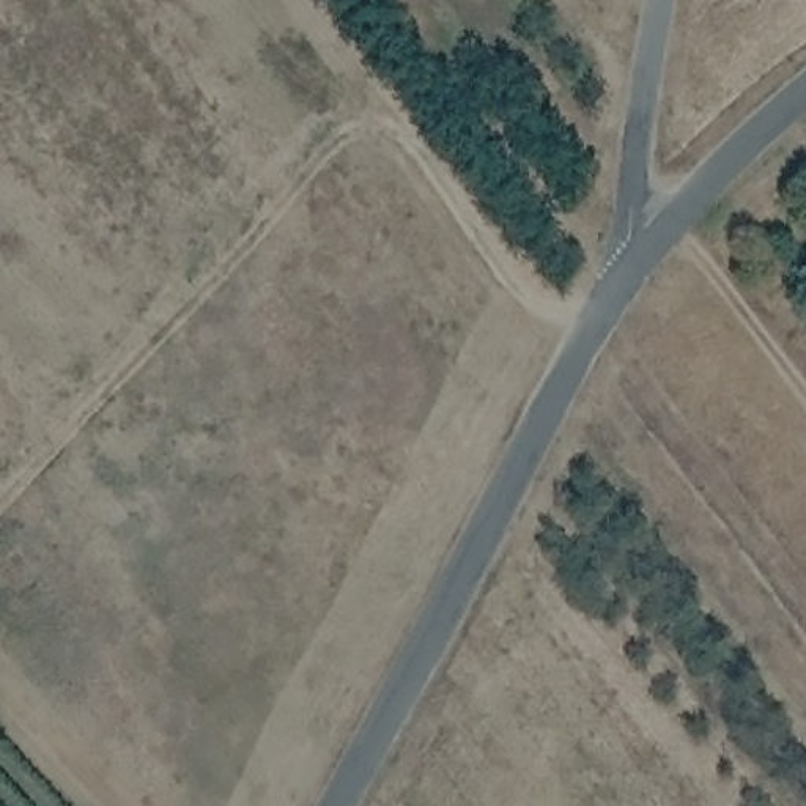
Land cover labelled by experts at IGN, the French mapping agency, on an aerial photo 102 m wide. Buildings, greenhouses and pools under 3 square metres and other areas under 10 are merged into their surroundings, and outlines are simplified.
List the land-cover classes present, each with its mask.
<instances>
[{"label":"agricultural land","instance_id":"1","mask_svg":"<svg viewBox=\"0 0 806 806\"><path fill-rule=\"evenodd\" d=\"M403 107L397 91L387 82H381L375 69L362 60L359 47L340 35L324 0H0V724L76 806H321L343 759L349 756L353 740L362 734L387 683V674L397 664L403 642L412 636L428 595L438 592L444 570L450 567V557L457 554L472 523V513L485 497V488L497 475L510 447L516 444L535 397L554 372L560 353L567 349L573 331L567 324H551L526 312V305L513 299L510 290L494 277L491 264L466 239L450 208L425 179L416 157L400 145L394 132L384 129V120L397 116ZM806 76V0H674L649 135L652 192L674 198L752 116H759L775 98H781L797 79ZM576 397L592 412V419L586 422L579 453L589 457L595 472L608 479L614 488L639 494L642 513L649 519H661L664 548L693 570L702 611L715 614L727 627L734 642L749 652L752 664L765 680V690L784 705L793 737L806 746V409L778 381L768 359L756 349L752 337L730 318L727 305L708 290L702 271L680 258L674 249L642 280L633 302L620 312L617 324L608 331L605 343L589 359ZM636 636V623L633 617H620L608 627L605 620L576 611L564 598L554 579V564L535 538H519L504 560H497L494 554L485 573L479 576L463 617L457 620L441 658L428 671L416 702L409 705L384 759L378 762L375 778L368 781L356 806H740V790L718 775V756L702 740H693L683 721H674L664 712V705L652 699L649 686L627 658V639Z\"/></svg>","mask_w":806,"mask_h":806},{"label":"deciduous trees","instance_id":"2","mask_svg":"<svg viewBox=\"0 0 806 806\"><path fill-rule=\"evenodd\" d=\"M340 35L359 47L362 60L375 69L381 82H387L397 91L403 107L409 110V120L416 123L428 148L444 164H450V170L463 179L466 192L475 198L479 211L501 230L504 242L510 249H523L526 258L535 261V271L557 293H564L570 283L582 268V249L576 236L557 227L554 214L573 211L589 195L598 173L595 148L579 142L576 126L564 123L557 107L551 104V94L538 69L526 60V54L507 47L504 41L485 44L479 31H463L453 50H425L419 25L409 19L406 3L400 0H324ZM513 31L548 54L551 66L564 72L573 85V98L579 107H595L605 91V82L595 72L592 50L557 31L551 0H523L513 13ZM778 205L784 208L781 224H787L790 233L737 230L727 239L730 258L743 261L734 277L740 287L778 277L787 290V299L793 302V312L806 318V167L790 179L784 192H778ZM560 491L567 494V510L576 519V535H567L551 516L542 513L535 538L554 564V579L564 598L576 611L605 620L608 627L620 617H633L636 623H652L658 636L671 642L677 655L686 661L690 677L724 674L721 721L727 724L730 743L762 771H768L778 781H787L806 797V746L793 737L784 705L765 690V680L752 664L749 652L734 642L727 627L715 614L702 611L693 570L664 548L661 519H649L642 513L639 494L614 488L608 479L595 472L589 457L579 453L570 460L567 479L560 482ZM652 699L664 705L677 696L674 674H658L649 686ZM0 806H76L0 724Z\"/></svg>","mask_w":806,"mask_h":806},{"label":"herbaceous vegetation","instance_id":"3","mask_svg":"<svg viewBox=\"0 0 806 806\"><path fill-rule=\"evenodd\" d=\"M406 3L409 19L419 25L425 50H453L463 31H479L485 44L504 41L507 47L526 54V60L538 69L551 94V104L557 107L564 123L576 126L579 142L595 148L598 173L589 195L573 211L554 214L557 227L576 236L582 249V268L570 283L589 296L595 280L601 277V258L614 233L623 126L649 0H551L557 31L592 50L595 72L605 82V91L595 107H579L573 98V85L564 72L551 66L548 54L513 31V13L523 0H400ZM806 167V116L784 129L775 142H768L724 186L715 205L690 230L708 246L712 258L721 261L734 277L743 261L730 258L727 239L737 230L790 233L787 224H781L784 208L778 205V192H784L790 179ZM752 312L784 343L787 356L806 372V318L793 312V302L787 299V290L778 277L740 287ZM592 419V412L576 397L570 400L548 450L542 453L532 482L526 485V494L516 504V513L494 554L497 560H504L519 538H535L542 513L551 516L567 535H576V519L567 510V494L560 491V482L567 479L570 460L579 453L586 422ZM627 658L649 686L658 674H674L677 696L664 705V712L674 721H683L693 740H702L718 756V775L740 790V806H806V797L787 781H778L768 771H762L730 743L727 724L721 721L724 674L690 677L686 661L677 655L671 642L658 636L652 623H636V636L627 639Z\"/></svg>","mask_w":806,"mask_h":806},{"label":"impervious surface","instance_id":"4","mask_svg":"<svg viewBox=\"0 0 806 806\"><path fill-rule=\"evenodd\" d=\"M674 0H649L623 126L614 233L601 258V277L595 280L589 296L573 331L567 349L560 353L554 372L535 397L516 444L510 447L497 475L485 488V497L472 513V523L457 554L450 557V567L444 570L438 592L428 595L412 636L403 642L397 664L387 674V683L362 734L353 740L349 756L343 759L321 806H356L368 781L375 778L378 762L384 759L409 705L416 702L428 671L441 658L457 620L463 617L479 576L485 573L494 554L516 513V504L526 494V485L532 482L542 453L548 450L570 400L576 397L589 359L605 343L608 331L617 324L620 312L633 302L642 280L674 249L690 230L715 205L724 186L768 142H775L784 129L806 116V76L797 79L781 98H775L759 116H752L674 198L652 192L649 135Z\"/></svg>","mask_w":806,"mask_h":806},{"label":"pervious surface","instance_id":"5","mask_svg":"<svg viewBox=\"0 0 806 806\"><path fill-rule=\"evenodd\" d=\"M384 129L394 132L400 145L416 157L425 179L450 208L466 239L491 264L494 277L510 290L513 299L526 305V312L551 324H567L573 331L589 296L570 283L564 293H557L535 271V261L526 258L523 249H510L504 242L501 230L479 211L475 198L466 192L463 179L450 170V164H444L428 148L416 123L409 120V110L403 107L397 116L384 120ZM680 258L702 271L708 290L727 305L730 318L752 337L756 349L768 359L778 381L806 409V372L787 356L784 343L752 312L740 287L734 277L721 261L712 258L708 246L690 230L674 249Z\"/></svg>","mask_w":806,"mask_h":806}]
</instances>
